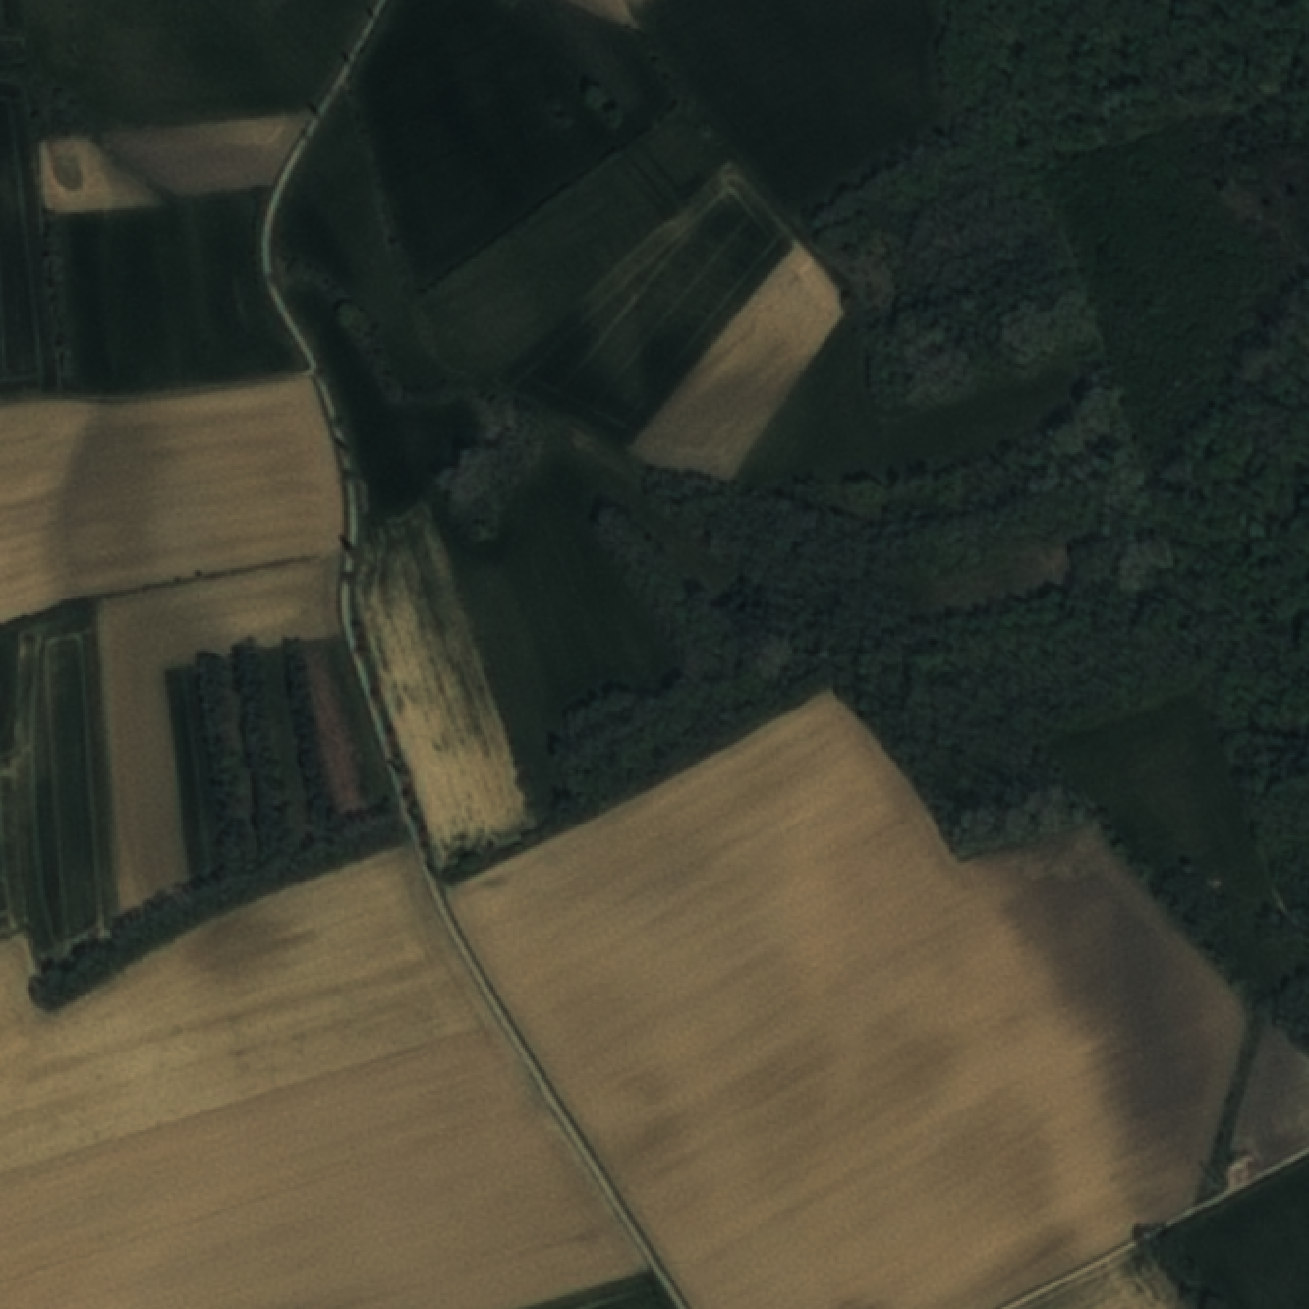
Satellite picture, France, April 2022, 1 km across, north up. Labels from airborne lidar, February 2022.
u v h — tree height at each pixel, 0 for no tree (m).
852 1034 0
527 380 0
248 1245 0
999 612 17
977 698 23
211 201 0
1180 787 0
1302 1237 0
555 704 0
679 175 0
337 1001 0
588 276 0
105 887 0
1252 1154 0
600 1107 0
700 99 0
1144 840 0
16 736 0
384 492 0
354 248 0
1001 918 0
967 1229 0
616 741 23
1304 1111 0
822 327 0
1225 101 26
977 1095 0
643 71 0
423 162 0
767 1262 0
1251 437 26
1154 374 7
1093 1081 0
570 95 0
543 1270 0
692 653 21
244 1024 0
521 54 0
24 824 0
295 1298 0
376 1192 0
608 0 0
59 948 0
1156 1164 0
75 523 0
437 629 0
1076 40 29
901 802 0
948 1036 0
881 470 0
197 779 0
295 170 0
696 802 0
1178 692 18
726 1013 0
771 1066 0
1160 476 7
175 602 0
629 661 0
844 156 0
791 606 21
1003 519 19
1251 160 9
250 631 0
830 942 0
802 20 0
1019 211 21
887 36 0
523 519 0
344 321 12
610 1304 0
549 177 0
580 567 0
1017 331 30
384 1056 0
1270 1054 0
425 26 0
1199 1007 0
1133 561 28
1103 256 11
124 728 0
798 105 0
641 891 0
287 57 0
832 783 0
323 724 22
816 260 0
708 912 0
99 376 0
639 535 21
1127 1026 0
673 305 0
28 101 0
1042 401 0
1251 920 0
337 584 0
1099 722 12
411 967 0
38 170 0
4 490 0
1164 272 6
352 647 0
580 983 0
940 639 22
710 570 0
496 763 0
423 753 0
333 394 0
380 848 21
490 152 0
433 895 0
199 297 0
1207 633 26
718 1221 0
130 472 0
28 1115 0
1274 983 0
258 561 0
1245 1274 0
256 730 17
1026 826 33
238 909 15
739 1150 0
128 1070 0
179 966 0
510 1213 0
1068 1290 0
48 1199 0
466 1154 0
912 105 0
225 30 0
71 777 0
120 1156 0
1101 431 33
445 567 0
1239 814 0
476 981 0
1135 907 0
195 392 0
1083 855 0
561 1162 0
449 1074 0
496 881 0
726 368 0
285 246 0
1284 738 14
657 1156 0
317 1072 0
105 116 0
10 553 0
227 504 0
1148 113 24
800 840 0
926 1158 0
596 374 0
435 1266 0
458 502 17
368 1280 0
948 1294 0
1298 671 19
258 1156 0
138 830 0
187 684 0
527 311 0
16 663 0
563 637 0
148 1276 0
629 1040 0
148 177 0
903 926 0
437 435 0
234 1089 0
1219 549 16
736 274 0
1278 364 29
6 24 0
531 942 0
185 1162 0
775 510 16
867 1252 0
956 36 12
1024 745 23
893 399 8
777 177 0
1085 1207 0
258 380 0
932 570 14
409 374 0
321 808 18
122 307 0
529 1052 0
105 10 0
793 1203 0
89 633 0
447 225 0
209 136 0
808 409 0
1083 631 26
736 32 0
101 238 0
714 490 17
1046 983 0
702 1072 0
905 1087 0
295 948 0
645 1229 0
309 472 0
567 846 0
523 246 0
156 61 0
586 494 0
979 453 0
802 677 19
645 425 0
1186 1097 0
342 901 0
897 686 21
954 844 16
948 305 22
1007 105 22
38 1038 0
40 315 0
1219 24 24
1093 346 25
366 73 0
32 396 0
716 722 21
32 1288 0
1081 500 22
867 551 20
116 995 0
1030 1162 0
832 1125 0
